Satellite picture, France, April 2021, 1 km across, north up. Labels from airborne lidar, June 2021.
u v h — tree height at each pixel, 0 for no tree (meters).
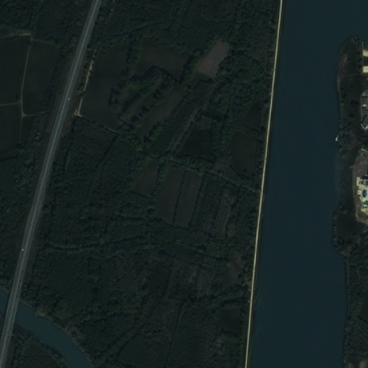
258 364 0
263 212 0
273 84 0
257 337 0
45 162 0
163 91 20
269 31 20
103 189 11
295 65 0
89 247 23
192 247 16
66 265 13
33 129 8
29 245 0
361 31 0
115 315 12
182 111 8
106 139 6
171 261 19
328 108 0
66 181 10
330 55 0
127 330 11
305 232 0
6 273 9
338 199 0
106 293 18
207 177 13
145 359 12
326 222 0
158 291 13
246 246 14
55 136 0
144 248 15
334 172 0
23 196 10
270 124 0
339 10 0
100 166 14
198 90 7
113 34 11
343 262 0
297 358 0
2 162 10
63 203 16
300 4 0
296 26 0
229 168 17
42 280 13
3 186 12
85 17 6
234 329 0
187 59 0
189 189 0
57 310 15
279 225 0
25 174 17
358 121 0
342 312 0
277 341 0
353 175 0
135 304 25
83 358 0
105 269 15
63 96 0
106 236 17
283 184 0
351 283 8
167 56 0
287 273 0
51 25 9
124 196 20
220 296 19
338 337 0
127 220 19
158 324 9
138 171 13
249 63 23
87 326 14
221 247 26
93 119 0
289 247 0
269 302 0
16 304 0
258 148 7
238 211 18
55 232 14
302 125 0
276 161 0
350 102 0
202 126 19
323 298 0
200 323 9
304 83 0
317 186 0
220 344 15
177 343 11
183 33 12
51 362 8
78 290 14
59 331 0
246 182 17
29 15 9
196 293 6
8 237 9
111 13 18
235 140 0
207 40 9
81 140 8
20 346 12
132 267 33
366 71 0
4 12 9
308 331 0
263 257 0
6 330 0
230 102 11
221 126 15
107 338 13
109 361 13
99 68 0
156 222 17
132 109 20
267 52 18
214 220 7
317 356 0
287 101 0
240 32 17
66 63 7
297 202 0
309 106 0
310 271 0
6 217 15
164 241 9
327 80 0
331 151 0
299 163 0
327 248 0
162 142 9
